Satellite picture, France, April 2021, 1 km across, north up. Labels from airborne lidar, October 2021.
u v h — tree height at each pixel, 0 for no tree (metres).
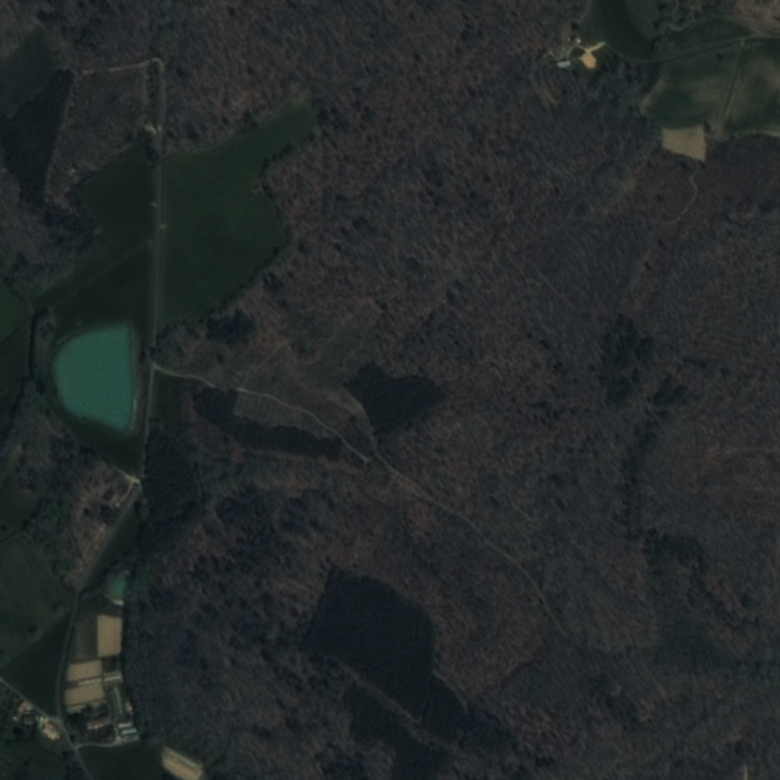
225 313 13
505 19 11
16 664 0
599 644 20
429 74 11
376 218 15
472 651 7
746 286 17
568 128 14
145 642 22
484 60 12
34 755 0
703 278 12
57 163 7
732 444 13
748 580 12
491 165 8
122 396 0
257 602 10
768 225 10
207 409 9
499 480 16
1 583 0
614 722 14
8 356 0
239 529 25
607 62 0
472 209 16
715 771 13
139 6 18
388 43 14
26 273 23
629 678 17
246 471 22
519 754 23
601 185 20
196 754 11
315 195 7
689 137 0
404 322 8
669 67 0
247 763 17
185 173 0
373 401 12
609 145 6
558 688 16
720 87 0
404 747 12
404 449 10
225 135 13
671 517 14
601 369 13
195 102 16
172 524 15
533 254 8
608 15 0
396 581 6
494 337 8
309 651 12
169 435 8
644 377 8
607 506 18
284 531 10
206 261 0
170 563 5
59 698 0
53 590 0
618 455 9
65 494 26
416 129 13
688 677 18
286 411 0
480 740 25
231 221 0
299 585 14
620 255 11
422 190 9
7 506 0
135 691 18
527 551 16
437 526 8
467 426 14
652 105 0
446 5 12
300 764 15
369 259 15
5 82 14
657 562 16
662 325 10
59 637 0
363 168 8
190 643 18
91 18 8
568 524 16
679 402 16
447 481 15
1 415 0
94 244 13
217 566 9
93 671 0
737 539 18
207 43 13
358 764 9
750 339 6
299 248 16
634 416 10
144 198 0
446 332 10
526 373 10
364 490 6
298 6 18
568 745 8
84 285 0
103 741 7
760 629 15
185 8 15
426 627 9
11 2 18
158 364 14
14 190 13
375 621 11
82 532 21
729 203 7
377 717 12
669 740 16
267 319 9
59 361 0
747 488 9
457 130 15
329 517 15
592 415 8
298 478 14
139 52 10
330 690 22
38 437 19
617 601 16
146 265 0
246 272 0
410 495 7
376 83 7
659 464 11
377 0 13
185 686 20
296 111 0
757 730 11
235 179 0
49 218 8
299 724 17
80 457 13
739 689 21
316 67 9
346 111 8
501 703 10
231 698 20
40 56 14
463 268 16
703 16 8
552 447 9
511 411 10
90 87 7
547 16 14
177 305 0
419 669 13
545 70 16
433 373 8
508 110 8
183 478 16
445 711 13
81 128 7
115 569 12
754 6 0
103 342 0
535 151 15
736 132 0
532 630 7
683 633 17
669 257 12
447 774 7
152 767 0
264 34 12
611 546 10
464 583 8
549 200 8
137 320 0
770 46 0
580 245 15
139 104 6
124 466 0
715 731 19
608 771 21
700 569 9
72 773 9
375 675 13
